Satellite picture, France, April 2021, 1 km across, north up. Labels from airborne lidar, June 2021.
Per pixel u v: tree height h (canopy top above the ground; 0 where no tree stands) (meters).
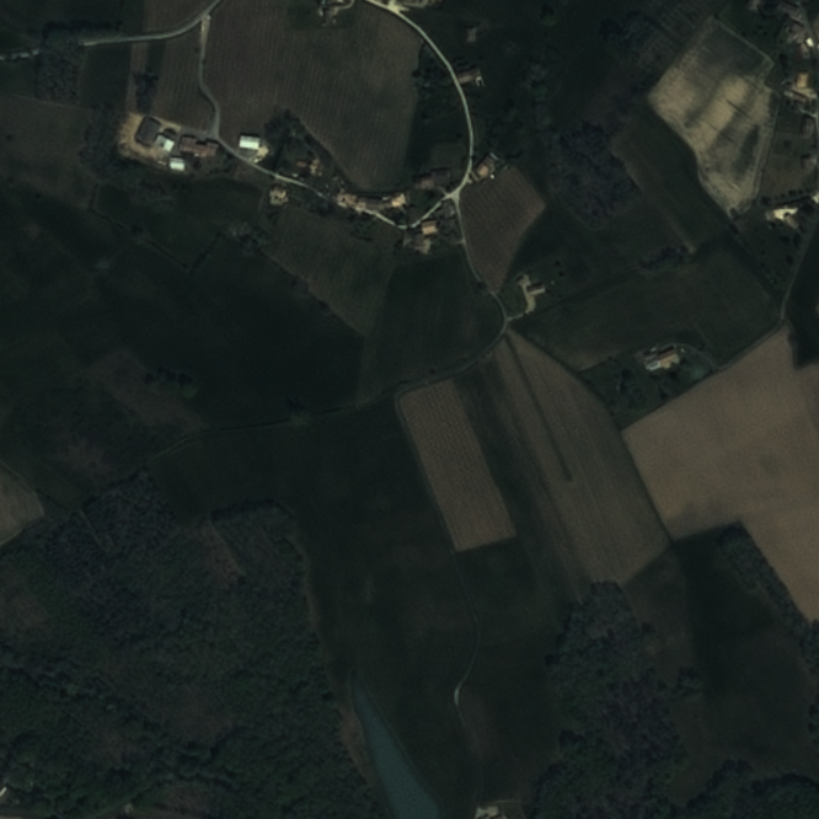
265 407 0
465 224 0
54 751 18
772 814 19
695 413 0
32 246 0
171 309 0
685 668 0
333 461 0
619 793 19
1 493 0
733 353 0
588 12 0
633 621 16
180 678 9
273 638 22
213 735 18
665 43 25
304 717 22
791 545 0
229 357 0
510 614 0
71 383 0
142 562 10
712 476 0
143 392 0
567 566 0
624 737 12
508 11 0
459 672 0
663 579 0
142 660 17
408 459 0
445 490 0
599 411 0
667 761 24
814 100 0
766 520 0
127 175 22
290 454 0
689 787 0
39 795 17
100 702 12
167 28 0
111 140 15
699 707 0
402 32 0
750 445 0
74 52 18
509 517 0
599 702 10
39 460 0
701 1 14
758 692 0
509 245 0
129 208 0
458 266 0
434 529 0
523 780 0
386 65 0
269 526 15
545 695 0
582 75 0
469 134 0
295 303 0
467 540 0
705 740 0
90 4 0
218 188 0
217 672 15
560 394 0
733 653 0
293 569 16
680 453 0
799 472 0
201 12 0
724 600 0
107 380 0
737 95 0
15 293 0
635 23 17
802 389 0
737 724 0
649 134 0
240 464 0
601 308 0
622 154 0
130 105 0
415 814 0
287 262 0
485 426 0
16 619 13
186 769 22
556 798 18
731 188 0
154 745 7
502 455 0
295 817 25
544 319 0
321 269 0
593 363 0
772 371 0
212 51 0
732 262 0
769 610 0
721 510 0
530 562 0
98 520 11
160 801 9
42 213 0
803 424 0
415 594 0
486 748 0
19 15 0
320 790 21
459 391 0
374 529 0
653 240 0
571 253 0
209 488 0
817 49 0
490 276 0
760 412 0
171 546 7
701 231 0
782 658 0
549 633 0
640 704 19
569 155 22
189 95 0
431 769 0
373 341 0
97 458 0
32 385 0
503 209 0
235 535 18
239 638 11
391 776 0
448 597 0
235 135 0
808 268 0
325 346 0
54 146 0
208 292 0
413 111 0
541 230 0
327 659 0
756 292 0
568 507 0
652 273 12
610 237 0
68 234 0
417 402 0
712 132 0
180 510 0
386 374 0
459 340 0
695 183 0
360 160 0
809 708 0
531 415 0
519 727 0
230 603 16
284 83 0
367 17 0
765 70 0
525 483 0
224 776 13
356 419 0
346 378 0
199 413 0
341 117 0
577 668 21
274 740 19
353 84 0
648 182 0
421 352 0
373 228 9
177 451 0
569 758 18
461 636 0
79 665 10
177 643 12
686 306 0
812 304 0
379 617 0
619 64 0
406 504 0
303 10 0
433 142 0
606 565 0
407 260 0
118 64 0
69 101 14
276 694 20
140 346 0
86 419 0
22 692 17
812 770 0
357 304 0
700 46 0
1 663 15
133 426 0
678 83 0
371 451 0
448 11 0
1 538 0
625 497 0
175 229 0
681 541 0
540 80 14
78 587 13
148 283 0
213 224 0
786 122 0
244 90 0
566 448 0
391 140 0
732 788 20
